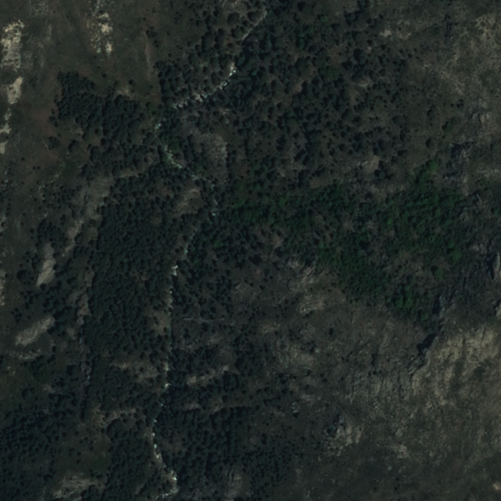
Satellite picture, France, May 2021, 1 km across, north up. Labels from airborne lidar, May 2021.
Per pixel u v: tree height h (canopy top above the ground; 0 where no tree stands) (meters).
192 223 29
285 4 30
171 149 16
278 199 17
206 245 30
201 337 9
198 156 26
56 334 21
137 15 0
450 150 7
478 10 0
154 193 31
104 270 30
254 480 12
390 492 0
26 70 0
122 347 37
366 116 0
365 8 17
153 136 30
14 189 8
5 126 0
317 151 22
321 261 12
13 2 0
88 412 15
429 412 0
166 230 33
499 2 8
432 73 0
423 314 12
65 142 0
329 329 0
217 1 10
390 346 0
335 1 0
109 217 26
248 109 23
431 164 20
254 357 14
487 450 0
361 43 10
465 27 0
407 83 0
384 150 24
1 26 0
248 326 10
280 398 13
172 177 25
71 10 0
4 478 7
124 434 18
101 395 15
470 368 0
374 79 11
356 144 12
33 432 18
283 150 26
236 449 17
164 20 0
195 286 29
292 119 26
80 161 0
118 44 0
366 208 12
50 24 0
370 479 0
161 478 21
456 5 0
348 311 0
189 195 0
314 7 13
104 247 35
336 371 0
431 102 7
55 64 0
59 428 16
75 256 13
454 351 0
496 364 0
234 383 26
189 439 8
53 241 14
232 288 15
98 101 15
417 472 0
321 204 14
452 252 16
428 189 7
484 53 0
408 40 0
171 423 28
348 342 0
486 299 0
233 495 0
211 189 26
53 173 0
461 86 0
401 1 0
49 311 12
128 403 21
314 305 0
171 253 26
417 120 0
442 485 0
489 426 0
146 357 23
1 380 0
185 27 0
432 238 19
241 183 9
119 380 28
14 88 0
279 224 15
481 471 0
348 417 0
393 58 0
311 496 0
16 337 0
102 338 35
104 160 24
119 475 22
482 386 0
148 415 37
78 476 0
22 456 8
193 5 10
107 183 0
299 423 0
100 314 29
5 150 0
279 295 0
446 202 19
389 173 27
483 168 0
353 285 8
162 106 17
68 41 0
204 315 13
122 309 27
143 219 31
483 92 0
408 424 0
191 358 8
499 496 0
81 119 17
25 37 0
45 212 6
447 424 0
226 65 33
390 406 0
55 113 10
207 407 18
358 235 9
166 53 0
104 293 36
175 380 24
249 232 19
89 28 0
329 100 19
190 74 22
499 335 0
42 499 0
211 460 20
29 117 0
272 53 12
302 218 17
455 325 0
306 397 0
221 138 0
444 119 0
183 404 12
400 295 15
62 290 20
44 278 0
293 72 24
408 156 25
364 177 11
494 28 0
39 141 0
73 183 0
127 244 36
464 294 10
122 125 35
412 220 15
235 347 14
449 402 0
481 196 11
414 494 0
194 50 8
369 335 0
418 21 0
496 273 0
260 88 26
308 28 17
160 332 0
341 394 0
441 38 0
